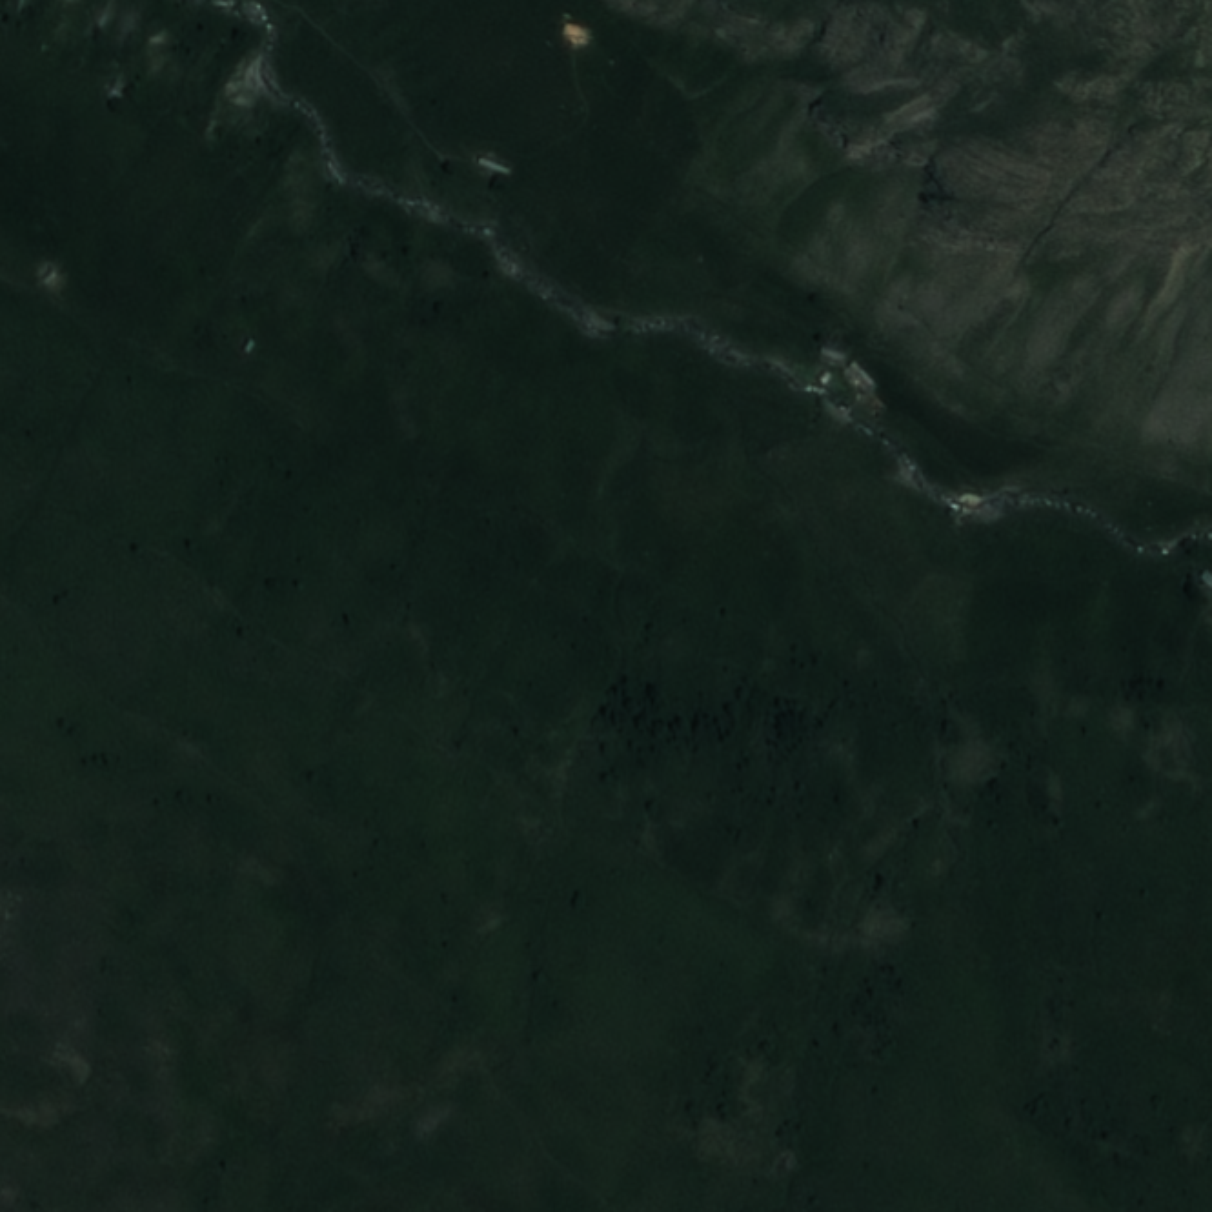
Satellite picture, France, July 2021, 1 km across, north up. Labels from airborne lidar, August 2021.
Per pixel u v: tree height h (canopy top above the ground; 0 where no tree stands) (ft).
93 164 0
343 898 0
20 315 0
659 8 0
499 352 0
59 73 0
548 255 0
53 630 0
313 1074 0
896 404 0
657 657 0
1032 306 0
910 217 0
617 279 0
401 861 0
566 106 0
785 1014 0
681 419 0
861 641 0
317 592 0
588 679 0
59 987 0
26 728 0
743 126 0
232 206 0
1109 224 0
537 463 0
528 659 0
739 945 0
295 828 0
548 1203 0
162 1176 0
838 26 0
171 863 0
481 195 0
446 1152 0
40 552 0
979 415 0
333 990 0
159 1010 0
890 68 0
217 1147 0
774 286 0
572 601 0
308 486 0
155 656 0
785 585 0
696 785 0
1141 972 0
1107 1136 35
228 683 0
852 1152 0
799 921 0
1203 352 0
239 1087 0
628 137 0
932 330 0
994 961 0
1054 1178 0
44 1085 0
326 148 0
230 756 0
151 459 0
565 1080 0
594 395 0
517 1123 0
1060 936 0
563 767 0
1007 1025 0
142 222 0
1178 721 0
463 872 0
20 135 0
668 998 0
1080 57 0
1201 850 0
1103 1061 0
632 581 0
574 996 0
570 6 0
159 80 0
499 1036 0
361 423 0
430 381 0
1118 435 0
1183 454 0
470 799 0
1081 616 0
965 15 0
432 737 0
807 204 0
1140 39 0
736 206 0
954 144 0
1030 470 0
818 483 0
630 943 0
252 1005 0
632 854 0
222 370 0
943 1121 0
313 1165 0
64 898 0
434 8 0
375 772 0
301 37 0
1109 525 0
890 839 0
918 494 0
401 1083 0
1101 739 0
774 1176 0
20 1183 0
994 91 0
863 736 0
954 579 0
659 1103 0
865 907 0
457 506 0
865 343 0
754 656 0
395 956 0
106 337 0
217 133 21
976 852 0
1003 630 0
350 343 0
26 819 0
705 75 0
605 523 0
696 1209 0
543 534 0
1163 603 0
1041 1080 0
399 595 0
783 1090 0
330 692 0
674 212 0
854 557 0
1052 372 0
